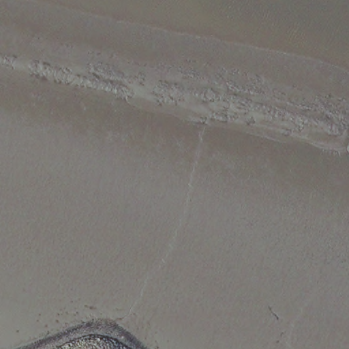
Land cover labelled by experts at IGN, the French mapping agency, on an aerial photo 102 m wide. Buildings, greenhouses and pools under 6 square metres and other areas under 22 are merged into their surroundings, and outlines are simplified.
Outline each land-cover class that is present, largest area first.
<instances>
[{"label":"bare soil","instance_id":"1","mask_svg":"<svg viewBox=\"0 0 349 349\"><path fill-rule=\"evenodd\" d=\"M76 0H0V349H18L78 326L82 322L97 319L113 320L134 335L147 349H349V72L333 64L309 59L307 56L293 55L290 52L259 48L256 45L239 42H226L218 38L211 40L209 35L185 34L165 27L143 26L128 20L112 19L109 15L83 12L76 7Z\"/></svg>","mask_w":349,"mask_h":349},{"label":"water","instance_id":"2","mask_svg":"<svg viewBox=\"0 0 349 349\"><path fill-rule=\"evenodd\" d=\"M76 7L83 12L109 15L112 19L128 20L143 26L165 27L185 34L209 35L211 40L218 38L226 42H239L256 45L259 48L290 52L293 55L307 56L309 59L333 64L349 72V0H76Z\"/></svg>","mask_w":349,"mask_h":349},{"label":"pervious surface","instance_id":"3","mask_svg":"<svg viewBox=\"0 0 349 349\"><path fill-rule=\"evenodd\" d=\"M18 349H147L134 335L113 320L97 319L82 322L78 326Z\"/></svg>","mask_w":349,"mask_h":349}]
</instances>
